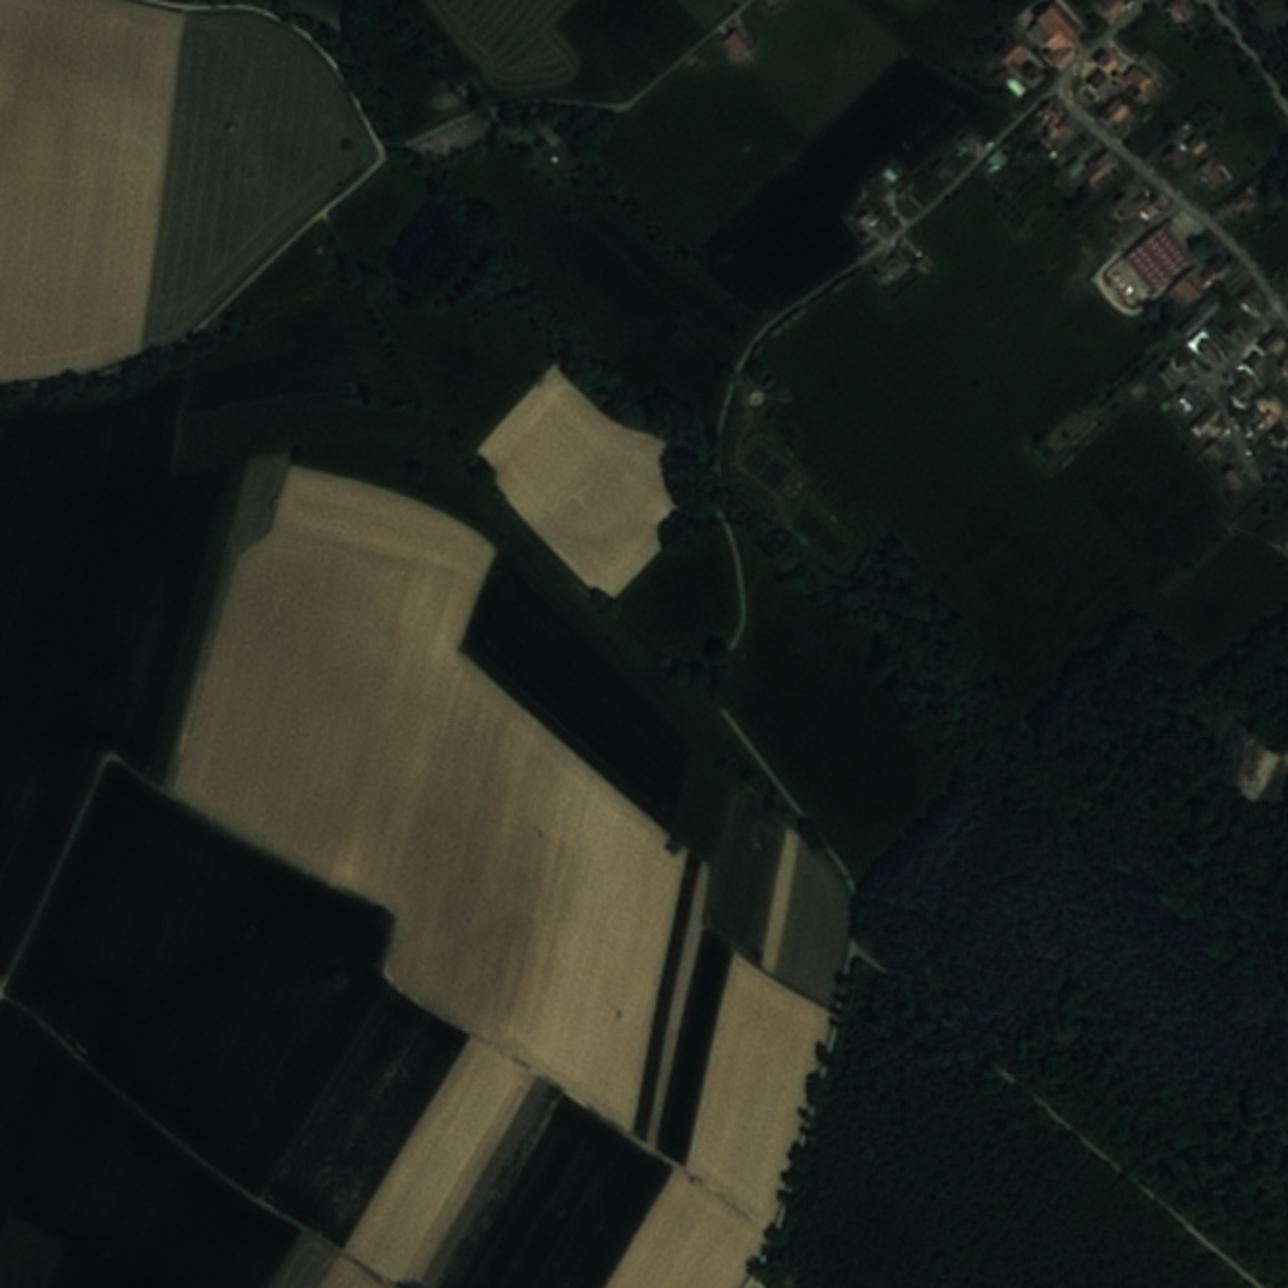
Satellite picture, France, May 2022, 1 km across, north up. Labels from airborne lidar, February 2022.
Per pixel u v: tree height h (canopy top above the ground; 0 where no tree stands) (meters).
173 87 0
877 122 0
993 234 0
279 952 0
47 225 0
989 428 0
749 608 0
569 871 0
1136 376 8
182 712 0
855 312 0
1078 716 23
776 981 0
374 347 0
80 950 0
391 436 0
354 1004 0
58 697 0
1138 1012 28
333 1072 0
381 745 0
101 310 0
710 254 0
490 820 0
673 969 0
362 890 0
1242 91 0
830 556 0
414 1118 0
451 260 34
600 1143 0
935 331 0
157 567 0
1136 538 0
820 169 0
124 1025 0
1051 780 23
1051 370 0
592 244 0
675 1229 0
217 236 0
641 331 0
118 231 0
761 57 0
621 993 0
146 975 0
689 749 0
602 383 26
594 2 0
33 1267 0
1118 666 23
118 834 0
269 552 0
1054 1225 12
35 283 0
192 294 0
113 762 0
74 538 0
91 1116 0
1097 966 24
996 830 22
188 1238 0
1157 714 12
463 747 0
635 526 0
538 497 0
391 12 18
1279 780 0
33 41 0
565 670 0
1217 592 0
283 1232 0
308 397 0
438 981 0
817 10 0
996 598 0
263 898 0
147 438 0
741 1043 0
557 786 0
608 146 0
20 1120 0
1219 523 0
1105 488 0
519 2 0
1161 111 0
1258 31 21
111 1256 0
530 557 0
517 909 0
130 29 0
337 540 0
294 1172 0
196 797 0
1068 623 0
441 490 0
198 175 0
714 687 17
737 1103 0
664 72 0
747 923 0
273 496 0
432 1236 0
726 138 0
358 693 0
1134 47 0
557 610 0
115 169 0
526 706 0
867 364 0
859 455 0
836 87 0
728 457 0
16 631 0
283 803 0
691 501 27
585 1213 0
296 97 0
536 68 0
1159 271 0
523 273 15
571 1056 0
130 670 0
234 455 0
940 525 0
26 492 0
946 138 0
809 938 0
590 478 0
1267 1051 26
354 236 0
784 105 0
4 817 0
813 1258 12
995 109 0
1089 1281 13
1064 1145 11
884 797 0
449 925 0
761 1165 0
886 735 0
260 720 0
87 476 0
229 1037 0
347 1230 0
